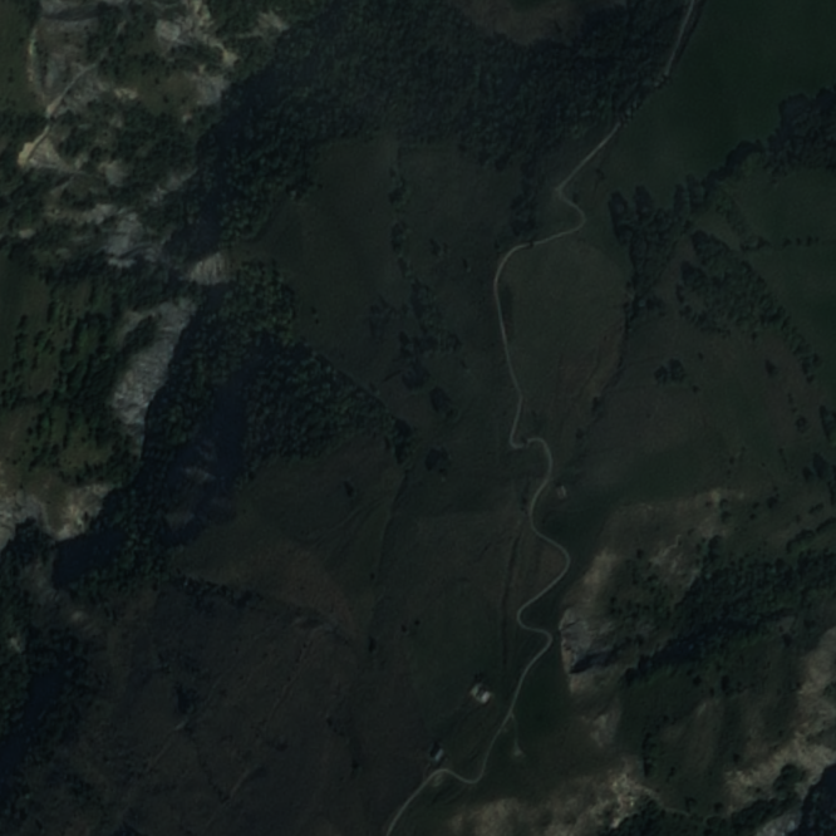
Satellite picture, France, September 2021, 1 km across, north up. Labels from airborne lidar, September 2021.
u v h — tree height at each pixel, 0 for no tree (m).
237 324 15
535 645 0
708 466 0
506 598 0
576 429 0
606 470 0
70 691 11
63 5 0
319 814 0
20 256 17
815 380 16
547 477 0
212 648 0
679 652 6
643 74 7
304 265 0
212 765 0
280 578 0
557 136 7
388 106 9
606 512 0
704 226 0
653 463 0
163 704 0
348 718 0
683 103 0
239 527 0
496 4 0
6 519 0
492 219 0
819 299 0
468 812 0
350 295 0
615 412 0
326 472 0
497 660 0
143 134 9
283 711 0
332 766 0
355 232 0
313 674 0
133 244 0
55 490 0
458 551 0
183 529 0
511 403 0
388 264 0
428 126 10
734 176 19
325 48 7
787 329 17
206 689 0
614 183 0
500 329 0
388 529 0
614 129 0
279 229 0
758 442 0
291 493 0
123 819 0
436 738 0
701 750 0
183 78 0
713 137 0
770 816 13
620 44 8
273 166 14
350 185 0
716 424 0
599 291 0
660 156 0
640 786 0
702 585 15
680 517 0
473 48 10
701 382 0
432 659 0
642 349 0
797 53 0
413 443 14
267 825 0
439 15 14
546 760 0
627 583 0
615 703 0
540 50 10
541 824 0
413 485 0
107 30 10
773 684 0
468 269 8
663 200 0
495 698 0
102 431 11
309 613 0
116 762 0
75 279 10
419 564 0
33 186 10
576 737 0
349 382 11
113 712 0
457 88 10
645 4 12
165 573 11
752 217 0
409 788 0
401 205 13
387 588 0
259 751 0
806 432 13
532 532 0
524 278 0
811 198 0
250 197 12
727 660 20
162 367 0
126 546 13
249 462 9
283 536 0
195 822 0
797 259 0
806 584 12
